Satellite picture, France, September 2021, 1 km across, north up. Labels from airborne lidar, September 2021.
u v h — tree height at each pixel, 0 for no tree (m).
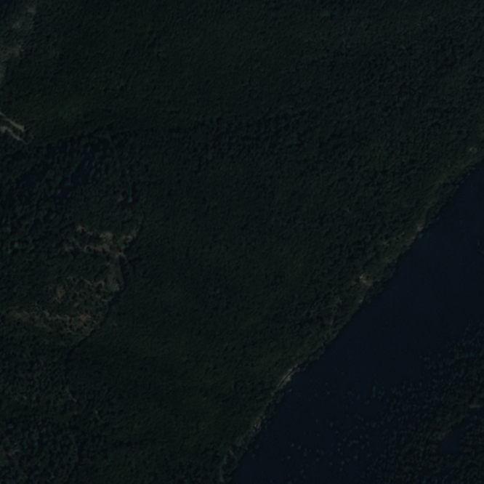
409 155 28
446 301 33
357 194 27
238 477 6
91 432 16
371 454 25
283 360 23
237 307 33
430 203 17
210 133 33
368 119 28
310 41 15
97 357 23
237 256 21
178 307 24
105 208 26
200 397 13
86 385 29
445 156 24
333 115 25
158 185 22
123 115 30
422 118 21
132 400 22
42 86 29
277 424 19
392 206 25
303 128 32
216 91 24
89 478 25
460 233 27
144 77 30
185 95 27
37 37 25
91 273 23
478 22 25
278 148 36
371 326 32
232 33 19
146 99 24
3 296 16
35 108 23
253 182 24
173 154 28
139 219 14
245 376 22
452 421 23
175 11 30
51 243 26
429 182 19
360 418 22
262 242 26
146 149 30
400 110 23
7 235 15
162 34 23
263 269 28
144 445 25
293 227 29
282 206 28
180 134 39
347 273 28
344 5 34
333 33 16
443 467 24
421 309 30
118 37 24
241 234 26
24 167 26
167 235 20
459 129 24
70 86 26
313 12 24
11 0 16
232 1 34
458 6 22
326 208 25
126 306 26
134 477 20
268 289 29
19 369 25
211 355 27
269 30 17
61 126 24
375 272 21
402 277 26
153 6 28
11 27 19
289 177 22
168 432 27
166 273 33
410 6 18
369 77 22
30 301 17
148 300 20
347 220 27
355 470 10
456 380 19
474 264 32
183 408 20
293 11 22
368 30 14
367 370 28
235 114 22
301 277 26
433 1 23
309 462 21
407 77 22
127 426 27
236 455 41
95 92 29
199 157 29
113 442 22
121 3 23
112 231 20
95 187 23
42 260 23
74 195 27
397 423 27
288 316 29
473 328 26
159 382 23
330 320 14
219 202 30
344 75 29
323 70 26
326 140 35
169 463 25
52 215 34
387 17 19
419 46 25
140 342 17
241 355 27
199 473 38
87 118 27
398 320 28
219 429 23
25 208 38
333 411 23
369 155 22
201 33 24
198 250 19
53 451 7
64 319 15
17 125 14
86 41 30
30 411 9
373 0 27
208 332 29
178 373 29
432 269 27
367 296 25
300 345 21
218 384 20
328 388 28
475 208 22
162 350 20
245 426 17
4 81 11
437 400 25
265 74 26
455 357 28
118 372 23
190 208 32
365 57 25
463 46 31
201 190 24
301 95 25
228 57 21
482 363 23
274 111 29
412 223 22
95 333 17
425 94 29
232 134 26
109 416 22
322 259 24
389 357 26
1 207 15
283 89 26
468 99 16
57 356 22
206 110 25
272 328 31
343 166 22
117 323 20
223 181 22
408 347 27
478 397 20
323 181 18
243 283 29
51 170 23
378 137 24
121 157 14
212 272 28
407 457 21
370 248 39
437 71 26
